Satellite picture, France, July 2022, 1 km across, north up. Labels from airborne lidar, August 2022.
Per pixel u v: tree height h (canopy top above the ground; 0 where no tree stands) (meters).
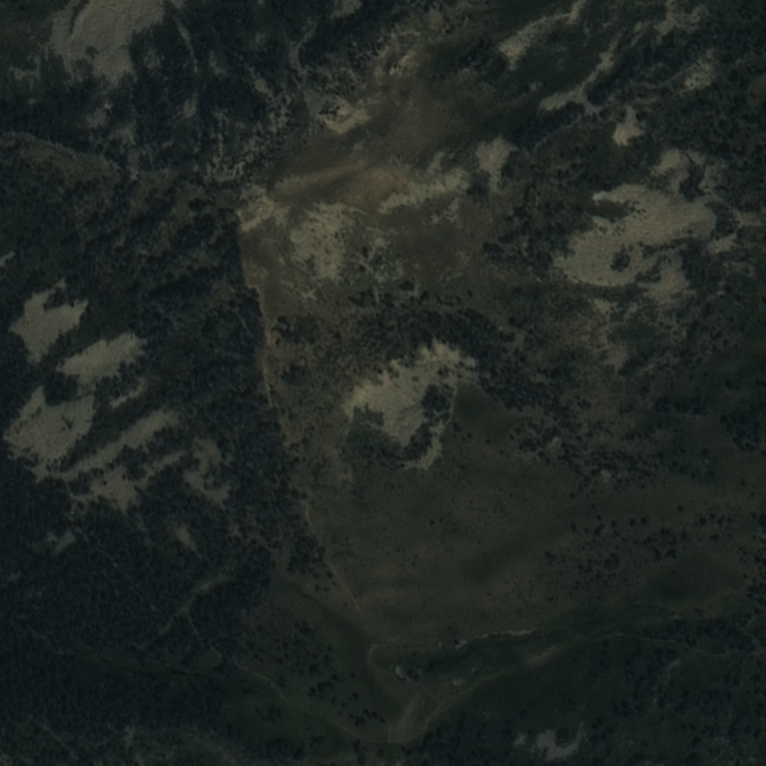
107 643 11
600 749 0
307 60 8
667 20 0
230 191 0
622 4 0
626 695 0
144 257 6
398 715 0
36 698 6
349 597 0
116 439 0
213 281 9
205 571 12
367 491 0
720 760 0
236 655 9
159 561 13
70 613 9
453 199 0
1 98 0
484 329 11
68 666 8
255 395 8
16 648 6
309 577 0
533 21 0
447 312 6
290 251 0
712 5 0
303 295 0
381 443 0
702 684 0
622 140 0
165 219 9
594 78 0
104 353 0
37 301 0
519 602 0
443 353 0
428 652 0
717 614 0
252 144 0
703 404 8
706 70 0
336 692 0
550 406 12
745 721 7
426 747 7
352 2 0
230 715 0
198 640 8
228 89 7
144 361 11
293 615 0
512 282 0
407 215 0
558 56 0
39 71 0
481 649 0
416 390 0
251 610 8
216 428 10
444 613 0
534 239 12
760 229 0
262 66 9
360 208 0
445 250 0
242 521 6
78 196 8
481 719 0
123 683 8
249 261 0
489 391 8
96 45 0
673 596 0
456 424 8
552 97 0
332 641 0
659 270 0
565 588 0
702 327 9
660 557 7
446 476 0
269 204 0
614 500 0
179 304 9
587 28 0
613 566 11
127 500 0
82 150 7
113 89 0
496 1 0
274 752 7
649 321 0
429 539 0
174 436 9
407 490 0
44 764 15
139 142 6
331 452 0
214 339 14
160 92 11
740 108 14
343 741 0
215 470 7
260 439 14
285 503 11
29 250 12
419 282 0
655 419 0
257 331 11
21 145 10
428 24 0
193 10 0
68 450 0
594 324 0
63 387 10
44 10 0
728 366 0
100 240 6
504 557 0
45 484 9
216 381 15
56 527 10
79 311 0
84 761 13
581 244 0
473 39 0
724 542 0
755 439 7
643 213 0
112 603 10
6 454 7
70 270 10
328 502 0
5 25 0
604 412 0
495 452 0
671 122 8
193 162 0
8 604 13
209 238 11
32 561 7
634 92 13
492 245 9
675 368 7
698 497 0
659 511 0
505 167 6
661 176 0
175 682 0
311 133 0
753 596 6
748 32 11
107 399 8
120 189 9
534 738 0
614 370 0
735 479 0
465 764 10
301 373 10
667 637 7
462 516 0
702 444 0
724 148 15
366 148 0
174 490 10
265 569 11
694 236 0
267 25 0
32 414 0
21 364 7
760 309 0
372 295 8
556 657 0
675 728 0
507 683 0
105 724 11
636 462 7
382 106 0
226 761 0
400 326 8
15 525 11
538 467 0
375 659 0
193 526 9
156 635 11
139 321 15
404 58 0
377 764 0
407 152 0
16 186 10
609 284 0
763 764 0
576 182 8
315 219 0
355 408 0
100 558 9
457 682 0
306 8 0
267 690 0
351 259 0
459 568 0
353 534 0
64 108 11
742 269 0
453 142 0
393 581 0
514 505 0
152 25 0
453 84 0
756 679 13
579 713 0
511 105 0
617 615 0
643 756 13
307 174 0
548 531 0
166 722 7
